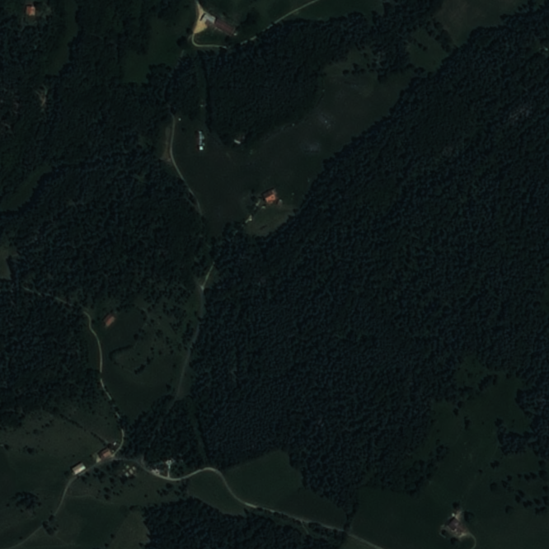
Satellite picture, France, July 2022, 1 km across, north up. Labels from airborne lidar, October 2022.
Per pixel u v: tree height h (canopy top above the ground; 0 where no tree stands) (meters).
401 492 9
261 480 0
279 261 27
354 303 22
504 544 0
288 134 0
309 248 22
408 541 0
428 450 0
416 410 21
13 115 20
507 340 21
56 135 17
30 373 18
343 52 18
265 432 29
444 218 24
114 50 24
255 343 29
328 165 23
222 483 0
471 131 26
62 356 15
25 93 27
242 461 23
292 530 25
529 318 24
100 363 0
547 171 23
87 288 17
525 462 0
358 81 0
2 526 0
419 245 8
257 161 0
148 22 13
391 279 10
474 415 0
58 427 0
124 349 11
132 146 19
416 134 26
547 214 24
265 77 20
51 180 28
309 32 21
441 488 0
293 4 0
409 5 15
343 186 25
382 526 0
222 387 23
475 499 0
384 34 23
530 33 27
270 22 0
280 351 30
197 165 0
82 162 9
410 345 23
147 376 0
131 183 34
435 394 19
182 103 23
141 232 17
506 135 14
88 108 24
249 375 23
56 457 0
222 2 0
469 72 21
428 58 0
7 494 0
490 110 23
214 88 17
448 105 31
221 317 18
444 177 19
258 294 6
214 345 8
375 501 0
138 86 15
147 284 12
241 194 0
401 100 12
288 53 22
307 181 0
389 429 18
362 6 0
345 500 23
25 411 12
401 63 18
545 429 24
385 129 25
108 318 0
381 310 18
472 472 0
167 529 23
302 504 0
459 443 0
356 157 28
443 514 0
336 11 0
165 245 15
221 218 0
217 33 0
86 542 0
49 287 18
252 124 20
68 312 17
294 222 12
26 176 28
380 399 21
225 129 20
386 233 23
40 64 20
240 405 28
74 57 17
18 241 20
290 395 25
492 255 27
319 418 29
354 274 22
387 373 20
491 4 0
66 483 0
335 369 25
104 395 11
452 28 0
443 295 26
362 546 0
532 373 24
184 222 26
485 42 21
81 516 0
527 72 17
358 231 12
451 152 26
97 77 22
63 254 15
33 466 0
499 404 0
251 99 25
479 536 0
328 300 23
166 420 9
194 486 0
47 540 0
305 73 23
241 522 26
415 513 0
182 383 0
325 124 0
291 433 27
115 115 27
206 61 22
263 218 0
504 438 21
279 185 0
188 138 0
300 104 14
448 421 0
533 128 19
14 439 0
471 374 7
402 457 22
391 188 28
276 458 0
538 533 0
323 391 20
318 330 27
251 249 26
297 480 0
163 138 0
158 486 0
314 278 25
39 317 9
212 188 0
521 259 22
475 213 27
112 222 24
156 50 0
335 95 0
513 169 23
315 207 19
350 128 0
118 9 13
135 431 14
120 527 0
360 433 22
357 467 18
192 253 19
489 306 19
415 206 30
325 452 23
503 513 0
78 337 10
